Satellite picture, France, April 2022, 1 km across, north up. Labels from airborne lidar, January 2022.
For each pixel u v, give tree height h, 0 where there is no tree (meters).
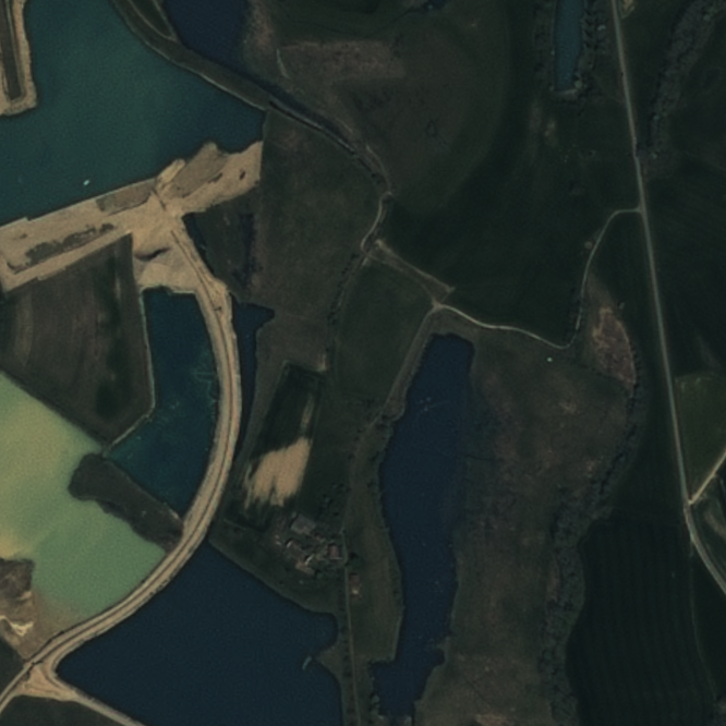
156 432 0
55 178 0
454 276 0
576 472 0
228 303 0
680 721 0
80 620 0
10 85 0
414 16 0
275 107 0
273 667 0
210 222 0
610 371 0
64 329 0
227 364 0
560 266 0
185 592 0
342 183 0
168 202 0
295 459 0
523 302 0
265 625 0
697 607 0
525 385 0
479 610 0
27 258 0
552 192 0
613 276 0
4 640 0
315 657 0
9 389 0
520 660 0
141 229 0
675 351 0
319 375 0
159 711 0
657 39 0
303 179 0
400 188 0
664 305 0
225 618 0
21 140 0
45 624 0
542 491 0
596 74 0
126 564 0
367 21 0
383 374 0
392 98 0
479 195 0
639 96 0
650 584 0
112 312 0
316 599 0
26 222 0
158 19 0
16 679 0
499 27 0
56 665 0
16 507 0
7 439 0
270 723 0
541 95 0
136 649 0
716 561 0
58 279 0
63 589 0
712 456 0
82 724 0
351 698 0
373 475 0
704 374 0
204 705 0
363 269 0
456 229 0
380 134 0
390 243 0
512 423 0
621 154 0
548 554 0
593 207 0
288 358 0
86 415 0
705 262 0
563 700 27
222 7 0
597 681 0
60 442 0
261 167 0
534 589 0
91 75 0
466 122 0
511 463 0
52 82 0
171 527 0
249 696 0
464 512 0
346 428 0
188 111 0
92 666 0
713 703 0
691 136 0
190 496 0
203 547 0
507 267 0
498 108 0
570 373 0
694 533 0
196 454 0
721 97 0
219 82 0
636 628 0
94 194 0
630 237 0
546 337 0
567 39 0
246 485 0
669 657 0
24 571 0
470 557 0
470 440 0
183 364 0
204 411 0
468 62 0
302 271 0
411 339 0
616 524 0
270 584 0
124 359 0
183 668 0
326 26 0
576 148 0
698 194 0
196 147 0
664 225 0
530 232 0
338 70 0
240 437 0
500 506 0
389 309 0
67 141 0
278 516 8
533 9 0
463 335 0
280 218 0
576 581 23
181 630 0
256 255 0
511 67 0
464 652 0
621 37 0
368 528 0
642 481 0
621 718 0
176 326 0
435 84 0
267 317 0
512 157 0
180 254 0
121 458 0
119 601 0
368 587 0
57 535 0
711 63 0
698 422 0
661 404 0
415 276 0
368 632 0
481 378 0
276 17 0
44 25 0
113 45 0
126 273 0
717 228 0
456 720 0
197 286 0
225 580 0
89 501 0
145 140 0
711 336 0
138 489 0
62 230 0
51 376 0
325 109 0
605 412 0
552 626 23
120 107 0
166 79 0
